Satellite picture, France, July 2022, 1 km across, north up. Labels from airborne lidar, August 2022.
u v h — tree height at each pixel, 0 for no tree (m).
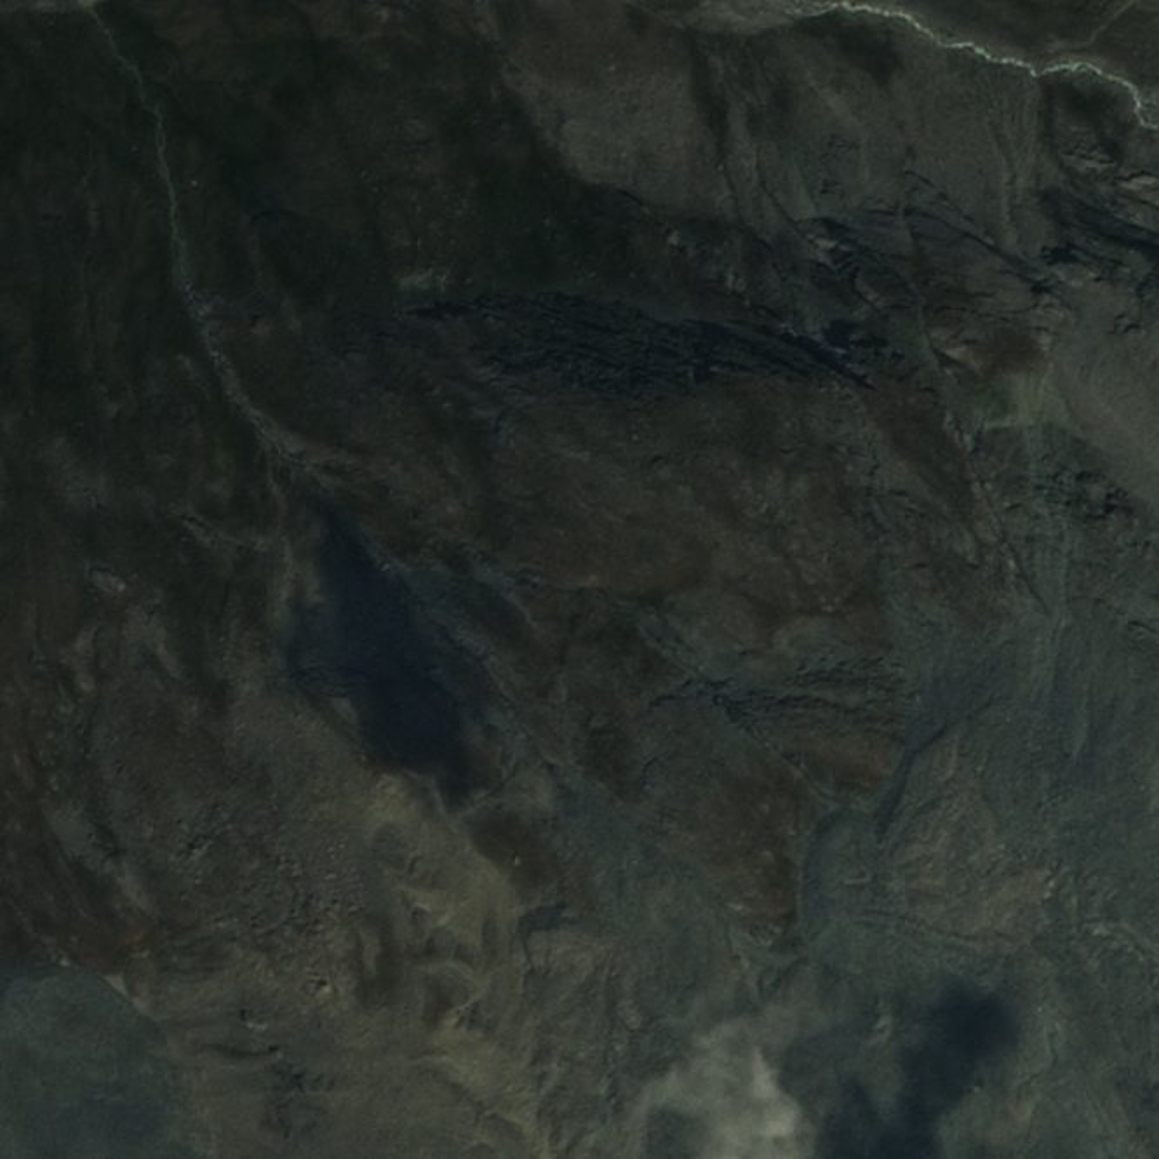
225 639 0
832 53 0
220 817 0
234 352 0
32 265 0
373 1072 0
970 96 0
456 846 0
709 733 0
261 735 0
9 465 0
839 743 0
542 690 0
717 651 0
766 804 0
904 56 0
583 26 0
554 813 0
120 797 0
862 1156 0
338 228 0
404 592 0
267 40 0
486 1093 0
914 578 0
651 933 0
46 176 0
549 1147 0
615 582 0
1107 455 0
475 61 0
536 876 0
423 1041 0
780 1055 0
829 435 0
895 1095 0
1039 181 0
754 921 0
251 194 0
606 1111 0
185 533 0
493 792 0
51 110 0
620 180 0
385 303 0
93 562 0
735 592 0
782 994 0
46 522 0
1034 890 0
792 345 15
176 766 0
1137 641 0
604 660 0
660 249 0
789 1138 0
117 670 0
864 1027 0
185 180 0
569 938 0
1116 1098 0
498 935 0
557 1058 0
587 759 0
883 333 0
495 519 0
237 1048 0
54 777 0
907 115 0
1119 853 0
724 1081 0
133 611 0
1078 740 0
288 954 0
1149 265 0
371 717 0
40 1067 0
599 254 0
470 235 0
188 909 0
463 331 0
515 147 0
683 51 0
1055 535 0
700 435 0
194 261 0
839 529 0
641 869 0
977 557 0
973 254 0
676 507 0
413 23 0
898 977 0
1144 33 0
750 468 0
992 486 0
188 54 0
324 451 0
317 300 0
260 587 0
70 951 0
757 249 0
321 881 0
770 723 0
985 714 0
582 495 0
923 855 0
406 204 0
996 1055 0
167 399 0
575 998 0
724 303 0
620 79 0
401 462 0
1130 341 0
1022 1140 0
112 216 0
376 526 0
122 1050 0
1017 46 0
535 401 0
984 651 0
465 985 0
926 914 0
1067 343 0
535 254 0
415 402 0
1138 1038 0
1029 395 0
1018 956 0
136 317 0
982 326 0
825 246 0
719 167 0
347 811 0
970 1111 0
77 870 0
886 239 0
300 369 0
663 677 0
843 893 0
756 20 0
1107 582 0
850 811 0
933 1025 0
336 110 0
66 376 0
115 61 0
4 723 0
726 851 0
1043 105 0
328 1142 0
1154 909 0
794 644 0
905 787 0
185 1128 0
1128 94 0
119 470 0
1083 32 0
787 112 0
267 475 0
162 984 0
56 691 0
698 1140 0
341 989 0
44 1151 0
